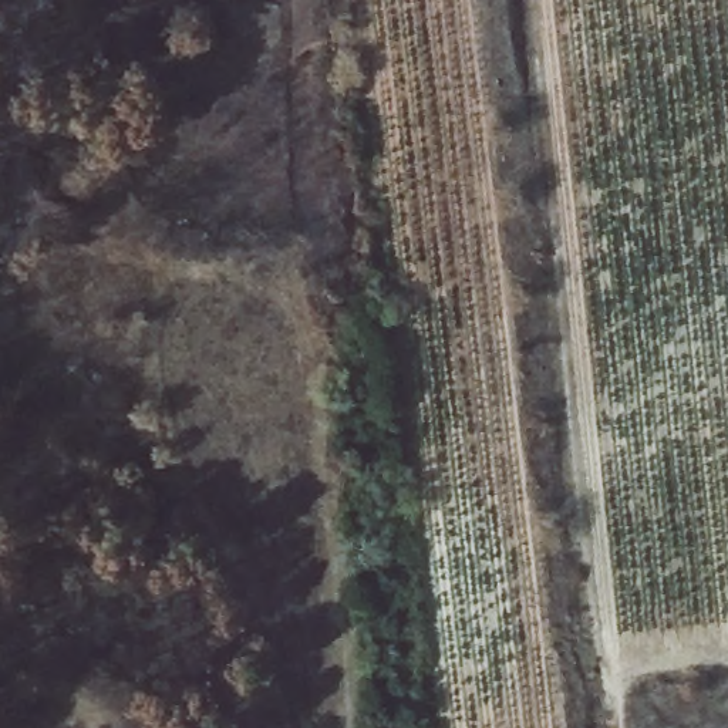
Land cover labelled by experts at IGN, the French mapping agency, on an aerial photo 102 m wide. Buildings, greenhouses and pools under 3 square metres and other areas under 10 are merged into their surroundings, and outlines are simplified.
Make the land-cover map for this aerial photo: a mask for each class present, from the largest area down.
<instances>
[{"label":"bare soil","instance_id":"1","mask_svg":"<svg viewBox=\"0 0 728 728\"><path fill-rule=\"evenodd\" d=\"M0 11L14 17L17 34H37L43 40H63L77 28H105L117 40H125L117 51L128 65H137L142 77L156 80L173 91L165 108V119L171 125L151 128V148L142 156V162L114 171L108 179H102L82 196H71L63 188V179L80 165V142L74 134H34L20 131L17 122L0 119V728H71L65 717L74 711L77 691L91 677L108 674L111 680H119L128 688L137 683H168L171 677L182 674L185 646L193 640V626L173 623L168 614L154 611L148 614L131 648L122 657H114L88 637L85 617L60 600L65 569L80 566V557L85 555L77 546V526L82 520H91L100 506L111 512L117 529L128 526L142 540L156 537L162 526H196L199 537L208 540L210 555L230 566L228 586L233 592V600L253 623L264 628L270 646L279 651L276 685L264 700L245 702L239 708L236 728H355L358 685L364 677L373 674V665H358V631L350 628L344 609L336 603L344 580L353 574L347 572L350 540L338 529L341 475L327 466V438L333 421L327 412L324 375L330 358H336V347L319 324V316L310 310L307 282L333 290L336 296H353L364 290L367 299L387 296L390 307L395 310V324L412 330L415 313L432 301V296L424 290L421 282L412 279V273L401 270L392 250V208L387 199V188L373 182L375 162L384 156V125L378 105L370 100V94L375 85V74L384 68V48L367 43V0H0ZM486 100L498 114L495 179L501 185H512L515 191H520L526 205L518 216L501 222V242L509 282L512 287H520L526 293V301L512 321L520 373V432L529 466V495L537 515L535 526L540 532L537 557L543 566L540 586L546 589L543 614L549 623V643L560 660L566 728H609L611 711L603 702L600 674L603 657L592 637V614L586 603V580L592 569L589 563H583L580 549L574 543L577 535L592 532L594 506L592 492L574 495L569 469L566 398L560 381L563 336L557 319V293L566 282V264L555 259V242L560 233L552 228L549 219V208L557 193V165L552 159L549 102L543 91H537L532 74L529 0H475ZM626 728H728V665H691L683 671H660L640 677L626 694Z\"/></svg>","mask_w":728,"mask_h":728},{"label":"vineyard","instance_id":"2","mask_svg":"<svg viewBox=\"0 0 728 728\"><path fill-rule=\"evenodd\" d=\"M367 43L384 48V68L375 74V85L370 94V100L378 105L384 125V156L375 162L373 182L387 188V199L392 208V250L401 270L412 273V279L421 282L424 290L432 296V301L415 313L412 330L418 333L424 373V398L418 401V435L424 438L421 455L424 466L435 478V486H449V501H438L435 512L427 520V540L432 546L429 577L432 592L438 597V665L441 685L449 691V702L444 711L449 728H566L560 660L549 643V623L543 614L546 589L540 586L543 566L537 557L540 532L535 526L537 515L529 495V466L520 432V373L512 321L526 301V293L520 287H512L509 282L501 242V222L518 216L526 205L520 191H515L512 185H501L495 179L498 114L486 100L475 0H367ZM572 14L586 17L583 26L557 37V51L574 182H586L600 191V202L580 208L577 219L592 222V228L580 233V259L589 307L594 412L606 489L617 631H674L728 620V0H555L557 20H566Z\"/></svg>","mask_w":728,"mask_h":728},{"label":"coniferous trees","instance_id":"3","mask_svg":"<svg viewBox=\"0 0 728 728\"><path fill-rule=\"evenodd\" d=\"M125 40H117L105 28H77L63 40H43L37 34H17L14 17L0 11V119L17 122L20 131L34 134H74L80 142V165L63 179V188L71 196H82L102 179H108L114 171L142 162V156L151 148V128L171 125L165 119V108L173 91L156 80L142 77L137 65H128L117 51ZM77 546L85 555L80 557V566L65 569L60 600L85 617L88 637L114 657H122L131 648L148 614L154 611L168 614L173 623L193 626V640L185 646L182 674L171 677L168 683H137L128 688L119 680H111L108 674L91 677L77 691L74 711L65 717L71 728H236L239 708L245 702L264 700L276 685L279 651L270 646L264 628L253 623L233 600V592L228 586L230 566L210 555L208 540L199 537L196 526H162L156 537L142 540L128 526L117 529L111 512L100 506L91 520H82L77 526Z\"/></svg>","mask_w":728,"mask_h":728},{"label":"brushwood","instance_id":"4","mask_svg":"<svg viewBox=\"0 0 728 728\"><path fill-rule=\"evenodd\" d=\"M310 310L319 316V324L336 347V358H330L324 375L327 412L333 421L327 438V466L341 475L338 529L350 540L347 572L353 574L344 580L336 603L344 609L350 628L358 631V665H373V674L364 677L358 685L355 728H449L444 711L449 702V691L441 685L438 665V597L432 592L429 577L432 546L427 540V520L435 512L438 501H449V486H435V478L424 466L421 455L424 438L418 435V401L424 398V373L418 333L412 330L395 324V310L390 307L387 296L367 299L364 290L353 296H336L333 290L307 282Z\"/></svg>","mask_w":728,"mask_h":728},{"label":"pervious surface","instance_id":"5","mask_svg":"<svg viewBox=\"0 0 728 728\"><path fill-rule=\"evenodd\" d=\"M586 17L572 14L566 20H557L555 0H529L532 74L537 91H543L549 102L552 159L557 165V193L549 208V219L552 228L560 233L555 242V259L566 264V282L557 293V319L563 336L560 381L566 398L569 469L574 495L592 492L594 506L592 532L577 535L574 543L580 549L583 563H589L592 569L586 580V603L592 614V637L603 657L600 674L603 702L611 711L609 728H626V694L640 677L660 671H683L691 665H728V620L674 631H617L606 489L594 412L589 307L580 259V233L592 228V222L577 219L580 208L600 202V191L586 182H574L557 51V37L583 26Z\"/></svg>","mask_w":728,"mask_h":728}]
</instances>
